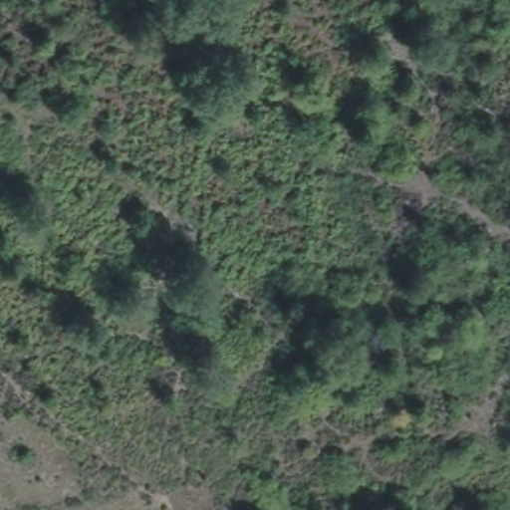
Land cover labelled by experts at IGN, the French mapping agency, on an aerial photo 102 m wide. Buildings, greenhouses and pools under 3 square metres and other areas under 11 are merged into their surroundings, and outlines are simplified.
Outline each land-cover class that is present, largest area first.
<instances>
[{"label":"brushwood","instance_id":"1","mask_svg":"<svg viewBox=\"0 0 510 510\"><path fill-rule=\"evenodd\" d=\"M157 8L155 2L149 0H0V241L6 237V257L20 255L16 275L12 279H4L0 275V410L4 418L24 414L30 424L46 432H52L56 442L64 444L74 458H80L76 484L82 492L76 496H66V506L70 508L82 506L90 500H94L96 504H108L110 500L122 498L127 490L135 488V482H131L120 472L127 468H137L139 472L149 474L143 488L151 490L153 494H165L169 488L177 486L209 488L213 500L207 504L205 510H357L365 502L377 498L388 500L392 496L402 500L406 506L418 510H510V0H243L237 14L239 38L233 46L249 62V78L243 86V94L231 96L227 108L221 114H215L209 108V104L191 106L183 96L173 92L169 72H165L163 68V52L155 30H151L139 40L137 16L151 14ZM355 22L365 32L373 30L379 36L381 50H386V54L392 60H396L392 64L394 82L384 92H375L369 80L361 78V70L369 62L349 64V50L335 52V46L339 44V26ZM384 104L390 110V114H396L410 126H418L416 145L422 151V161L416 165V177L408 183L388 185V181H382L379 171L371 169V161L381 143L369 135V129L377 126L375 110L382 108ZM201 275L205 277L211 297L203 309L195 307L191 301H185V297L195 289V281ZM161 303L173 309L175 313H185L187 325L197 333L205 329V321L209 317L217 315L223 319V327L209 337L213 343V351H217L221 345L229 347L235 351L237 359H243L247 363L251 361L257 369L249 375L247 381L239 382V386L235 388L237 400L233 406L223 408L219 402H207L203 396L197 394L199 388H209L207 367H199L197 375H189L185 367H181L173 361V357H169L161 337V327L157 323V307ZM78 313H92L98 323V331L104 329L106 339L116 335H131L141 341H147L145 351L135 355V359H124L118 365L88 363V355L76 349L82 335L68 333L70 319ZM337 321H341L343 325L353 323L357 327L369 329L367 339L357 341L359 347H367L371 361V369L363 375V384L351 390L337 388L333 396L323 394V384L319 382L301 386L293 394H287L281 386H275L273 377H269L263 369L277 343H281L291 331H297L299 339H303L309 331L321 333L327 325H333Z\"/></svg>","mask_w":510,"mask_h":510},{"label":"deciduous trees","instance_id":"2","mask_svg":"<svg viewBox=\"0 0 510 510\"><path fill-rule=\"evenodd\" d=\"M349 50V64L369 62L361 70V78L369 80L375 92H384L394 82L392 64L396 60H392L386 54V50H381L379 36L373 30L365 32L355 22L339 26V44L335 46V52ZM377 126L369 129V135L381 143L371 161V169L379 171L382 181H388V185L408 183L416 177V165L422 161V151L416 145L418 126H410L396 114H390V110L384 104L382 108L375 110ZM6 237L0 241V275L4 279H12L16 275L20 255L6 257ZM211 297L205 277L201 275L195 281V289L185 297V301H191L195 307L203 309ZM157 323L161 327V337L169 357H173V361L181 367H185L189 375H197L199 367H207L209 388H199L197 394L203 396L207 402H219L223 408L233 406L237 400L235 388L239 386V382L247 381L249 375L257 369L251 361L247 363L243 359H237L235 351L229 347L221 345L217 351H213V343L209 337L223 327V319L217 315L209 317L205 321V329L197 333L187 325L185 313H175L173 309L161 303L157 307ZM68 333L82 335L76 349L88 355V363L118 365L124 359H135V355L145 351L147 341H141L131 335H116L106 339L104 329L98 331V323L92 313H78L70 319ZM369 329L357 327L353 323L343 325L341 321H337L333 325H327L321 333L309 331L303 339H299L297 331H291L281 343H277L263 369L269 377H273L275 386H281L287 394H293L301 386L319 382L323 384V394L333 396L337 388L351 390L363 384V375L371 369V361L367 347H359L357 341L367 339ZM357 510H418L406 506L402 500L392 496L388 500L377 498L365 502Z\"/></svg>","mask_w":510,"mask_h":510},{"label":"herbaceous vegetation","instance_id":"3","mask_svg":"<svg viewBox=\"0 0 510 510\"><path fill-rule=\"evenodd\" d=\"M80 458H74L64 444L56 442L52 432H46L30 424L24 414L4 418L0 410V510H205L207 504L213 500L209 488L177 486L169 488L165 494H153L151 490L143 488L149 474L139 472L137 468H127L120 472L131 482H135V488L127 490L122 498L110 500L108 504H96L94 500H90L82 506L70 508L66 506V496H76L82 492L76 484Z\"/></svg>","mask_w":510,"mask_h":510},{"label":"coniferous trees","instance_id":"4","mask_svg":"<svg viewBox=\"0 0 510 510\"><path fill-rule=\"evenodd\" d=\"M155 2L157 8L151 14L137 16L139 40L151 30H155L163 52V68L165 72H169L173 92L183 96L191 106L209 104V108L215 114H221L227 108L231 96L243 94V86L249 78V62L233 46L239 38L237 14L243 0H149Z\"/></svg>","mask_w":510,"mask_h":510}]
</instances>
